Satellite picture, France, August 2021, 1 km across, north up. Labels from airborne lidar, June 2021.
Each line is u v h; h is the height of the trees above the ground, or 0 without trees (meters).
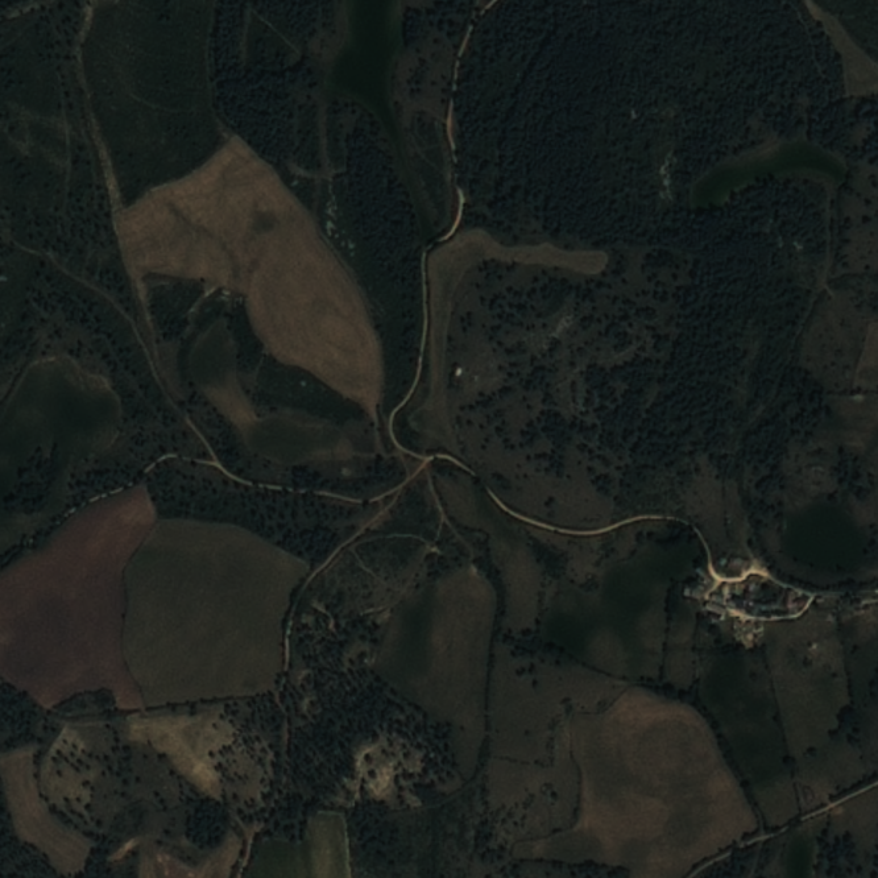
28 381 0
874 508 0
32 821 0
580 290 7
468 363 0
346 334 0
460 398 0
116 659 0
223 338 0
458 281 0
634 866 0
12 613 0
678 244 13
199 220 0
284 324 0
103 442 0
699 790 0
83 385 0
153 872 0
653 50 10
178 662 0
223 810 10
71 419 0
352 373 0
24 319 10
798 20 8
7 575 0
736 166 0
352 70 0
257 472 0
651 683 8
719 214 14
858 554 0
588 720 0
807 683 0
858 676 0
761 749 0
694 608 0
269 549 0
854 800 0
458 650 0
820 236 11
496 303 8
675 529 14
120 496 0
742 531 0
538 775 0
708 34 10
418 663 0
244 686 0
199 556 0
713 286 10
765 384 14
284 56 8
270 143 13
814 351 0
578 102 14
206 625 0
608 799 0
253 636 0
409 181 0
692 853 0
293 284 0
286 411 0
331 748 13
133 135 0
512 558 0
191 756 0
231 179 0
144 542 0
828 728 0
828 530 0
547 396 7
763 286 12
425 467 0
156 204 0
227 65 14
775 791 0
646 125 12
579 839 0
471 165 10
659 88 7
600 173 10
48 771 0
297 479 11
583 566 0
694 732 0
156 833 0
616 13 11
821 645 0
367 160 18
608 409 8
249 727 8
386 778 0
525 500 0
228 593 0
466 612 0
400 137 0
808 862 0
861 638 0
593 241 6
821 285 0
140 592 0
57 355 0
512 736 0
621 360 0
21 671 0
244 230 0
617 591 0
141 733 0
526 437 10
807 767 0
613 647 0
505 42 9
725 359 10
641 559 0
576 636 0
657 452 11
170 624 0
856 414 0
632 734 0
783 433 16
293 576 0
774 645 0
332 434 0
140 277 0
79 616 0
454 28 11
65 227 12
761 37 10
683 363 9
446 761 8
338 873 0
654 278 6
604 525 0
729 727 0
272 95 10
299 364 0
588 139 12
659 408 8
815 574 0
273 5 11
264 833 6
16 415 0
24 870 10
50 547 0
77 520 0
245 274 0
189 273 0
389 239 12
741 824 0
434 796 9
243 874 6
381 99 0
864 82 0
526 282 0
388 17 0
